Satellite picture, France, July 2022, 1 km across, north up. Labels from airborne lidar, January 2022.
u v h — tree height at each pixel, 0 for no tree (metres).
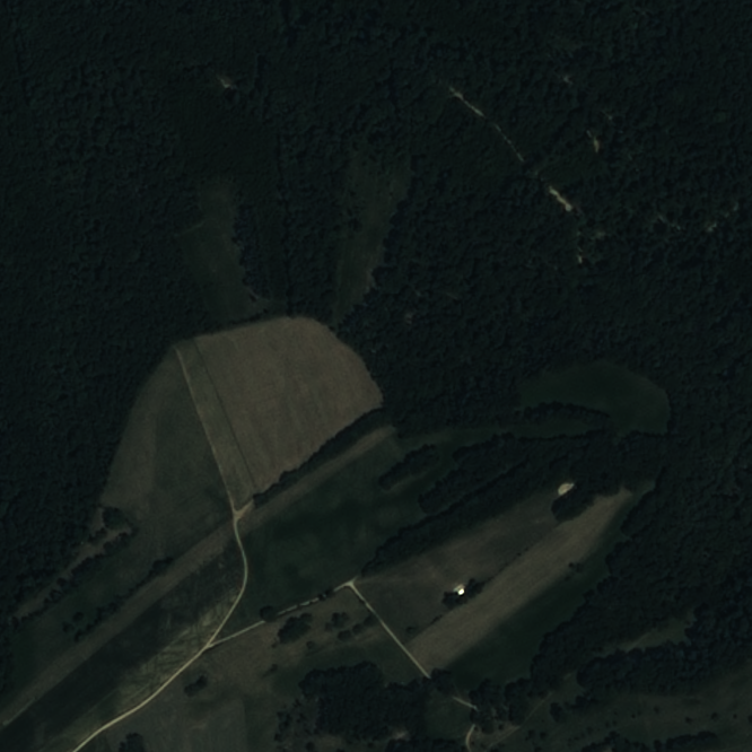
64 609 0
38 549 23
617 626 24
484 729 13
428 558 0
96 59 23
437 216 26
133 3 28
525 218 26
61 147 19
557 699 0
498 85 32
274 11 35
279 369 0
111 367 18
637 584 21
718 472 21
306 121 24
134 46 28
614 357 23
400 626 0
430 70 34
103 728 0
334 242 21
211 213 0
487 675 0
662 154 25
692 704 0
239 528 0
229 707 0
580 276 36
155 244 17
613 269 34
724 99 33
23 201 25
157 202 16
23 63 21
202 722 0
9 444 30
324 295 22
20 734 0
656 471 24
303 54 33
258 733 0
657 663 32
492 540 0
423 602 0
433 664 0
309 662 0
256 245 17
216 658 0
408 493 0
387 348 20
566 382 0
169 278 16
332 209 20
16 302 26
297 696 0
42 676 0
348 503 0
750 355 31
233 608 0
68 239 27
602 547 0
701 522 25
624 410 0
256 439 0
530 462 15
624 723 0
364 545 0
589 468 23
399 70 35
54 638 0
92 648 0
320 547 0
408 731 20
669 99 30
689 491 19
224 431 0
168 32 33
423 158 18
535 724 0
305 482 0
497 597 0
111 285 16
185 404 0
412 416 24
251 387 0
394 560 16
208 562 0
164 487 0
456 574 0
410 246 26
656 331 32
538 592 0
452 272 25
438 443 0
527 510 0
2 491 38
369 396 0
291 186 17
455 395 6
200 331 10
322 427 0
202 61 31
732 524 32
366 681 21
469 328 21
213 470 0
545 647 17
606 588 19
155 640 0
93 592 0
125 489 0
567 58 30
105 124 25
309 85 34
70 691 0
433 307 24
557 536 0
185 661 0
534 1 17
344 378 0
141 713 0
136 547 0
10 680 22
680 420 19
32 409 22
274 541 0
